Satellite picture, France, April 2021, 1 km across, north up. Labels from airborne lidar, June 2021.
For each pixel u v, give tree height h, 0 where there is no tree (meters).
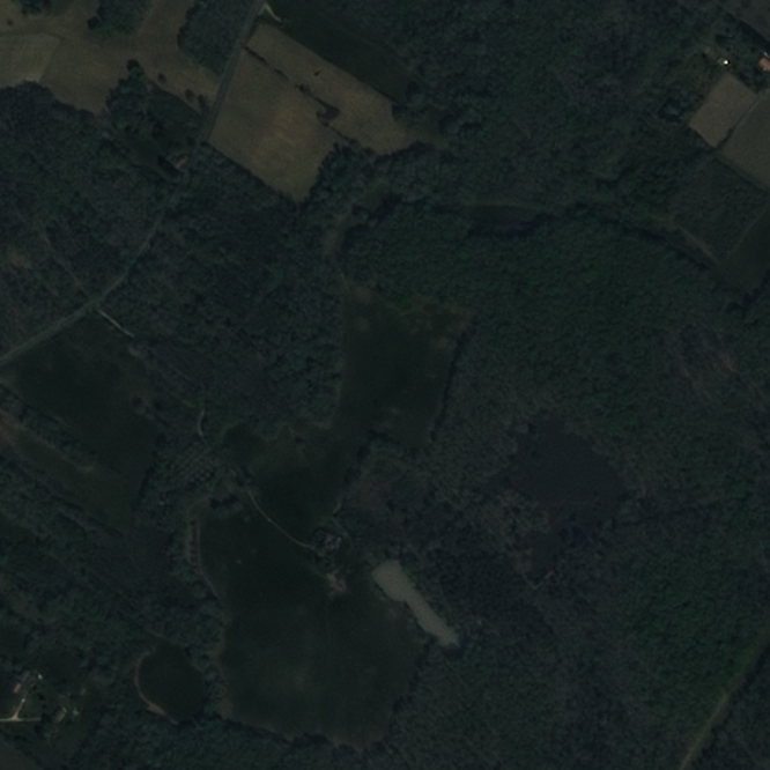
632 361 24
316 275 23
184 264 24
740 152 0
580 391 22
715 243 7
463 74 7
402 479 6
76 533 24
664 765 21
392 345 0
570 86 20
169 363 20
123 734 16
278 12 0
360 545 5
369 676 0
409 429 0
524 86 19
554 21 23
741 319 21
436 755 19
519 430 12
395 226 23
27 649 10
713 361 19
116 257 26
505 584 18
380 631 0
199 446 26
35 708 0
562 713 13
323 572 0
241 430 0
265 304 21
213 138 0
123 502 0
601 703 19
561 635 14
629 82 25
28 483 25
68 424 0
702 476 26
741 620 21
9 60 0
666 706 22
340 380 21
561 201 21
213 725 21
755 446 13
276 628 0
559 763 24
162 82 10
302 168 0
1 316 22
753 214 7
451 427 20
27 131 21
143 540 14
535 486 0
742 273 0
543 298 26
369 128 0
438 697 19
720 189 6
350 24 17
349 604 0
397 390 0
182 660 0
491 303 25
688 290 21
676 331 18
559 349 19
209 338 15
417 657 0
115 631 17
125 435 0
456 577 18
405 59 14
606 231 21
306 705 0
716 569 23
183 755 26
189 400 17
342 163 22
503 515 19
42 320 21
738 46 7
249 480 19
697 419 19
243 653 0
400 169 18
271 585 0
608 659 16
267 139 0
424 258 24
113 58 0
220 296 25
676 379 21
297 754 19
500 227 14
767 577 21
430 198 19
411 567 26
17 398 10
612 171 22
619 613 20
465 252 26
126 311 13
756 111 0
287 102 0
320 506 0
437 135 0
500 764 16
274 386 24
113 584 15
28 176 25
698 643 25
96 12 0
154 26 0
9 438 0
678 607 22
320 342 23
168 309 19
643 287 19
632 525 10
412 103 18
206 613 15
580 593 15
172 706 0
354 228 0
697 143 13
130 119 24
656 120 14
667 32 24
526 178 21
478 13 23
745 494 19
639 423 24
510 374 22
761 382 24
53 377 0
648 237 17
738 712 19
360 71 0
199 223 15
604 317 20
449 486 17
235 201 22
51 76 0
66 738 0
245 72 0
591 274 28
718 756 19
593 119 18
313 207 19
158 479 20
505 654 22
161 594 12
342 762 22
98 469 0
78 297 17
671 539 12
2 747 0
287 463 0
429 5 23
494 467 14
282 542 0
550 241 26
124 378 0
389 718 0
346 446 0
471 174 21
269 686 0
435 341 0
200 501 13
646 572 19
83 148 21
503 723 26
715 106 0
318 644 0
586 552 18
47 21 0
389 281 24
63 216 23
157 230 18
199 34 20
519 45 18
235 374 18
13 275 21
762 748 23
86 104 0
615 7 22
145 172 10
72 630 22
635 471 19
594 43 19
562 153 24
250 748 24
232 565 0
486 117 19
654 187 13
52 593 13
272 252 19
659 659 22
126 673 11
